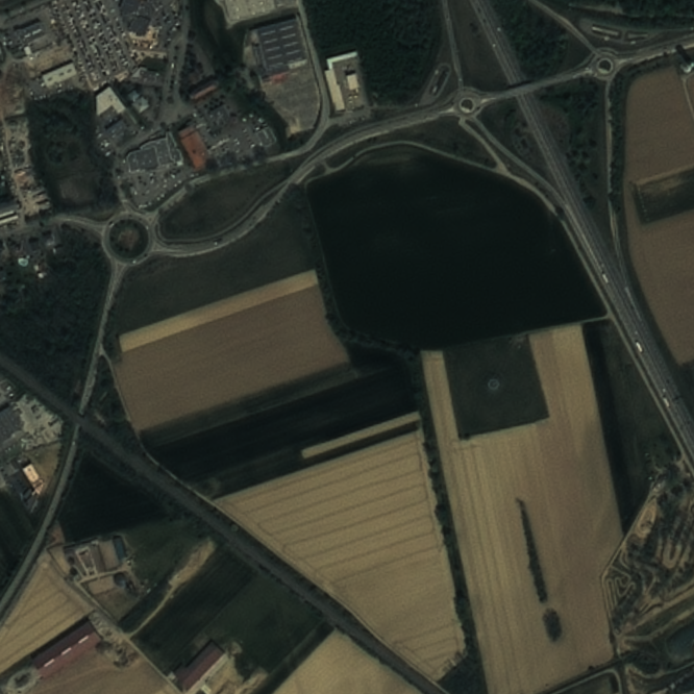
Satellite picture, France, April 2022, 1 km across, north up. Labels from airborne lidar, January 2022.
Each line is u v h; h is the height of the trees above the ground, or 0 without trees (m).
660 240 0
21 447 0
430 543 0
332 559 0
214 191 0
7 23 0
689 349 0
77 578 0
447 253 0
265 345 0
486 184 0
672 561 0
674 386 0
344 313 0
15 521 0
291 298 0
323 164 0
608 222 0
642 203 0
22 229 0
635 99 0
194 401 0
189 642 0
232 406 0
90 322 12
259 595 0
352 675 0
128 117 0
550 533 0
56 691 0
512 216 0
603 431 0
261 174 0
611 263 0
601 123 0
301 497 0
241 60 0
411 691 0
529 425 0
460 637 0
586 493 0
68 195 0
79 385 0
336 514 0
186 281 0
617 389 0
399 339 0
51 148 6
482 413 0
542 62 15
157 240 0
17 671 0
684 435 0
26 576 0
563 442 0
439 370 0
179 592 0
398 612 0
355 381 0
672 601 0
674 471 14
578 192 0
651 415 0
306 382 0
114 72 0
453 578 0
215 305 0
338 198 0
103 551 0
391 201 0
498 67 0
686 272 0
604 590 0
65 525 0
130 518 0
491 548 0
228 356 0
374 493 0
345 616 6
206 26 0
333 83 0
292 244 0
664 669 0
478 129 0
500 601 0
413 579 0
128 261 0
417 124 0
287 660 0
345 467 0
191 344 0
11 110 0
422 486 0
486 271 0
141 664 0
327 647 0
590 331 0
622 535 0
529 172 0
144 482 14
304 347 0
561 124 0
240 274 0
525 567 0
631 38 0
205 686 0
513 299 0
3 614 0
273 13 0
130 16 0
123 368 0
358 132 0
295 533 0
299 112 0
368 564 0
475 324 0
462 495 0
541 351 0
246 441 0
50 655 0
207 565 0
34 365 16
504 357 0
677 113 0
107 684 0
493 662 0
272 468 0
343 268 0
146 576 0
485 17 0
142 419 0
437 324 0
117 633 0
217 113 0
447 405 0
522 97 0
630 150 0
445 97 0
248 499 0
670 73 0
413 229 0
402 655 0
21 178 0
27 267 0
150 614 0
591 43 0
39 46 0
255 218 0
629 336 0
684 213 0
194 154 0
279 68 0
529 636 0
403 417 0
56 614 0
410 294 0
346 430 0
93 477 0
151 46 0
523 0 20
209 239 0
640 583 16
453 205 0
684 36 0
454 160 0
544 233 0
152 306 0
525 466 0
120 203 24
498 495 0
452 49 0
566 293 0
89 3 0
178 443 0
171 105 0
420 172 0
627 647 0
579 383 0
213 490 0
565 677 0
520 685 0
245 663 0
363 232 0
